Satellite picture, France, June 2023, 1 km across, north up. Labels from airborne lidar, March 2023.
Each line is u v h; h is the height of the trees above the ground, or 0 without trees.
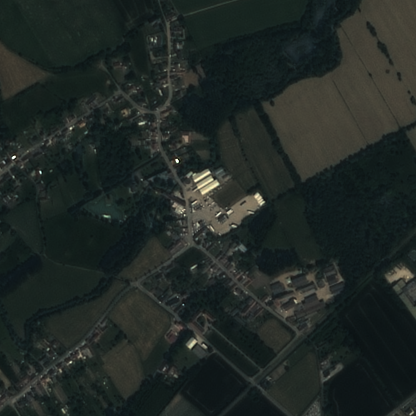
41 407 0
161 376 10
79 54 0
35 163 0
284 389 0
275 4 0
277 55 8
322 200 15
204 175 0
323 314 0
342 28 0
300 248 0
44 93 0
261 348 0
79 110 0
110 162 9
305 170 0
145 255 0
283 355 0
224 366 0
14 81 0
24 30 0
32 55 0
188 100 28
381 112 0
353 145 0
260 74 8
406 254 0
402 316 0
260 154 0
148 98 0
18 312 0
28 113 0
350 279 16
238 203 0
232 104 20
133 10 0
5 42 0
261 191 7
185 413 0
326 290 0
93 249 0
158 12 9
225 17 0
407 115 0
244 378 0
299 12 0
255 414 0
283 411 0
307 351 0
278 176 0
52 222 0
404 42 0
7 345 0
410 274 0
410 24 0
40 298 0
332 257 6
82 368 8
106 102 0
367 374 0
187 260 0
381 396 0
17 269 10
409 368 0
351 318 0
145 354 0
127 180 17
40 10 0
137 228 14
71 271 0
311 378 0
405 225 28
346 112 0
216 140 0
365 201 13
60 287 0
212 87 35
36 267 34
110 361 0
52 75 0
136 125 15
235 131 17
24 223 0
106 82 0
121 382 0
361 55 0
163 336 0
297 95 0
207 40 0
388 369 0
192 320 0
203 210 0
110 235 0
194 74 0
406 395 0
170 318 0
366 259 13
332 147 0
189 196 0
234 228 7
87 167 0
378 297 0
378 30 0
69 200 0
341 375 0
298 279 0
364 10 0
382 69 0
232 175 0
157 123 0
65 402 0
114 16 0
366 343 0
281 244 0
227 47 22
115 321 0
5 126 6
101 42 0
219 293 9
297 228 0
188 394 0
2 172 0
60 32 0
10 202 0
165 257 0
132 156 8
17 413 0
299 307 0
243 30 0
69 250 0
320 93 0
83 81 0
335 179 16
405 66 0
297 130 0
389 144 7
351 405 0
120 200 12
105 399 7
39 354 0
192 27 0
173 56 0
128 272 0
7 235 0
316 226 13
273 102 10
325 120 0
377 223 17
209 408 0
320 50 24
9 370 0
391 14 0
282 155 14
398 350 0
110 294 0
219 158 14
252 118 0
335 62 13
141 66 0
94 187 0
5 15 0
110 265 32
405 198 11
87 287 0
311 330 0
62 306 7
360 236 28
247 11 0
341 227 19
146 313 0
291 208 0
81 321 0
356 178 15
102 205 0
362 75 0
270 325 0
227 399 0
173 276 0
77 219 9
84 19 0
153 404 0
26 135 0
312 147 0
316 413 0
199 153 0
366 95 0
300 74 13
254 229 28
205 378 0
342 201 17
